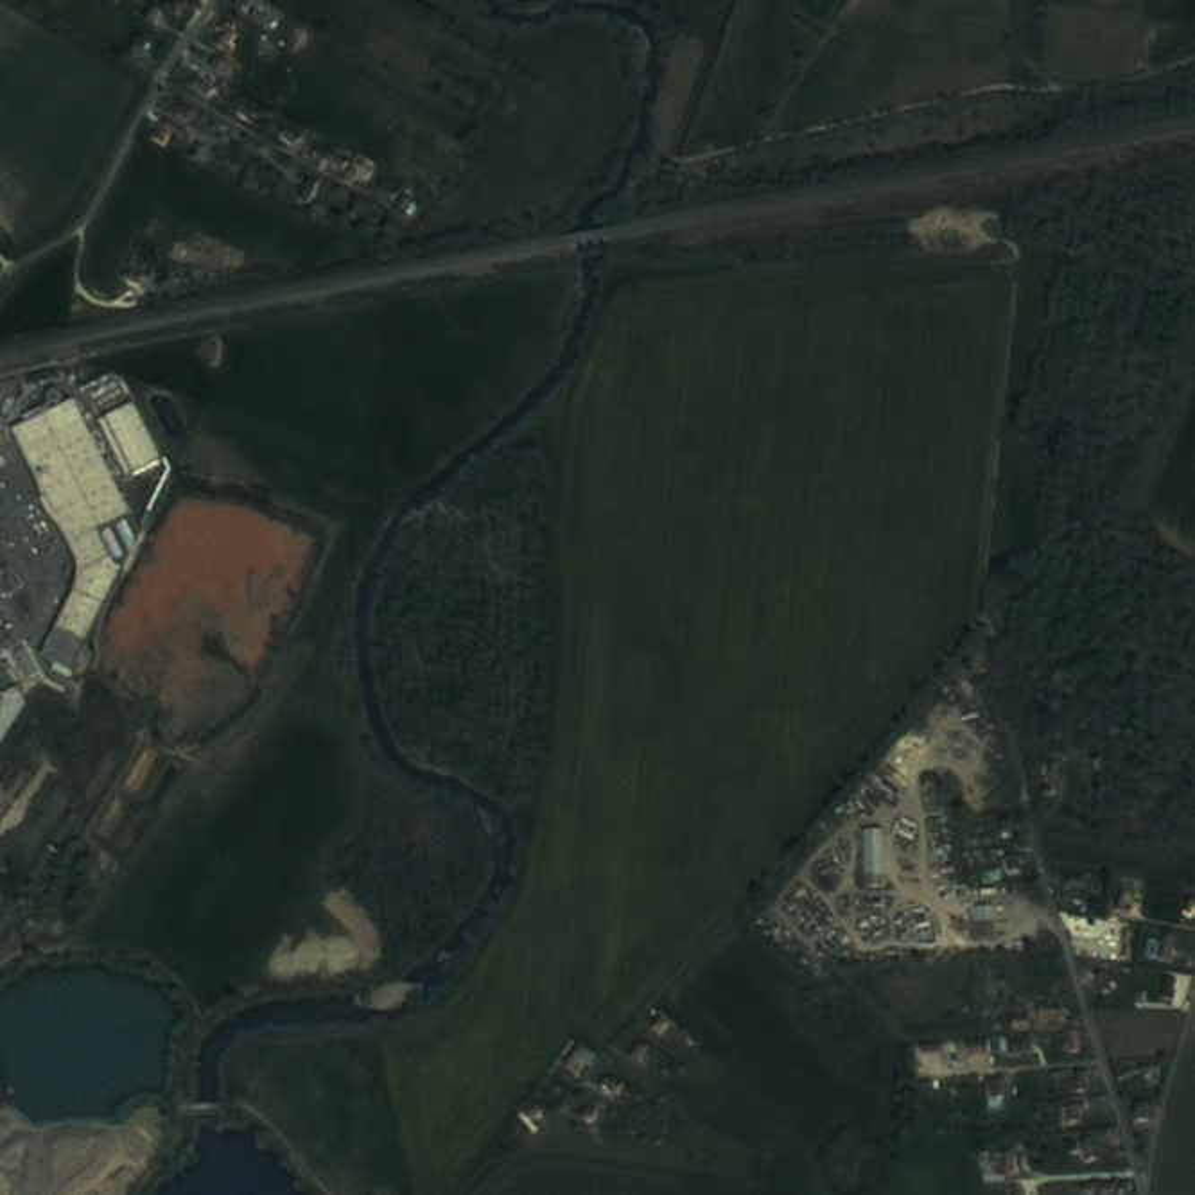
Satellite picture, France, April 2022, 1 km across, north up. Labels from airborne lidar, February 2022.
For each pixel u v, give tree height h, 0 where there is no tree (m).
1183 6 0
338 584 0
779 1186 0
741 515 0
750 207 0
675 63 0
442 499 9
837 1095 0
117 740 0
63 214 0
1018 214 14
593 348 0
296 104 0
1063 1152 0
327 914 0
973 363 0
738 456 0
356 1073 0
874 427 0
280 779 0
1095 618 22
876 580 0
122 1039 0
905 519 0
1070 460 18
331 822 0
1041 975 0
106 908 0
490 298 0
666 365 0
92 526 0
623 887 0
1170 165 20
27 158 0
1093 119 10
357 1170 0
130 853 0
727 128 0
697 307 0
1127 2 0
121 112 0
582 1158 0
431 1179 0
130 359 0
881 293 0
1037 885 18
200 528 0
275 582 0
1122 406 17
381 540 16
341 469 0
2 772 0
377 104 0
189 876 0
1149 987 0
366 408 0
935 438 0
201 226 0
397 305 0
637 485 0
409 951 8
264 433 0
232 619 0
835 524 0
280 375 0
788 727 0
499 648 0
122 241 0
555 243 0
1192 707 22
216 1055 0
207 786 0
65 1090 0
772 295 0
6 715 0
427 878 22
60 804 0
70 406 0
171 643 0
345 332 0
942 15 0
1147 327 16
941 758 0
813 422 0
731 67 0
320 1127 0
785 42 0
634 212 12
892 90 0
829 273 0
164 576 0
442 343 0
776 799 0
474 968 0
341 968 0
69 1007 0
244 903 0
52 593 0
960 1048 0
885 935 0
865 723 0
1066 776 0
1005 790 0
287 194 0
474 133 17
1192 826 22
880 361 0
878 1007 0
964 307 0
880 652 0
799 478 0
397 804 0
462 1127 0
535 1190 0
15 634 0
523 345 0
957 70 0
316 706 0
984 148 10
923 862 0
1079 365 13
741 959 0
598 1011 0
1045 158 0
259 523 0
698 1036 0
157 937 0
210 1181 0
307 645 0
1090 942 0
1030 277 0
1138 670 22
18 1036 0
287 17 0
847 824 0
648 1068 0
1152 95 9
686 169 0
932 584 0
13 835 0
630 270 0
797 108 0
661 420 0
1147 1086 0
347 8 0
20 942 0
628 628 0
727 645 0
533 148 0
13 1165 0
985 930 0
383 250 14
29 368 0
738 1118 0
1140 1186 0
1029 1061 0
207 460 0
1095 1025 0
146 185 0
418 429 0
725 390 0
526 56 0
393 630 12
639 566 0
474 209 0
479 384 0
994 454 0
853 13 0
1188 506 0
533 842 0
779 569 0
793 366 0
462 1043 0
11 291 0
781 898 0
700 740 0
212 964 0
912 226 0
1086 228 19
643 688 0
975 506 0
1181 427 0
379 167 0
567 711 0
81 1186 0
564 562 0
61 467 0
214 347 0
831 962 0
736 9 0
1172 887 0
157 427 0
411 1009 10
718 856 0
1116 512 16
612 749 0
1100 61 0
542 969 0
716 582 0
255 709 0
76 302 0
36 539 0
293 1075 0
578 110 0
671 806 0
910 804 0
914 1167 0
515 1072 0
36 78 0
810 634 0
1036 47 15
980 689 16
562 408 0
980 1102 0
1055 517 18
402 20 0
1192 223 19
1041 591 14
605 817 0
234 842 0
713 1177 0
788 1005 0
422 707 18
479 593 0
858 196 0
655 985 0
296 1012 0
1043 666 17
